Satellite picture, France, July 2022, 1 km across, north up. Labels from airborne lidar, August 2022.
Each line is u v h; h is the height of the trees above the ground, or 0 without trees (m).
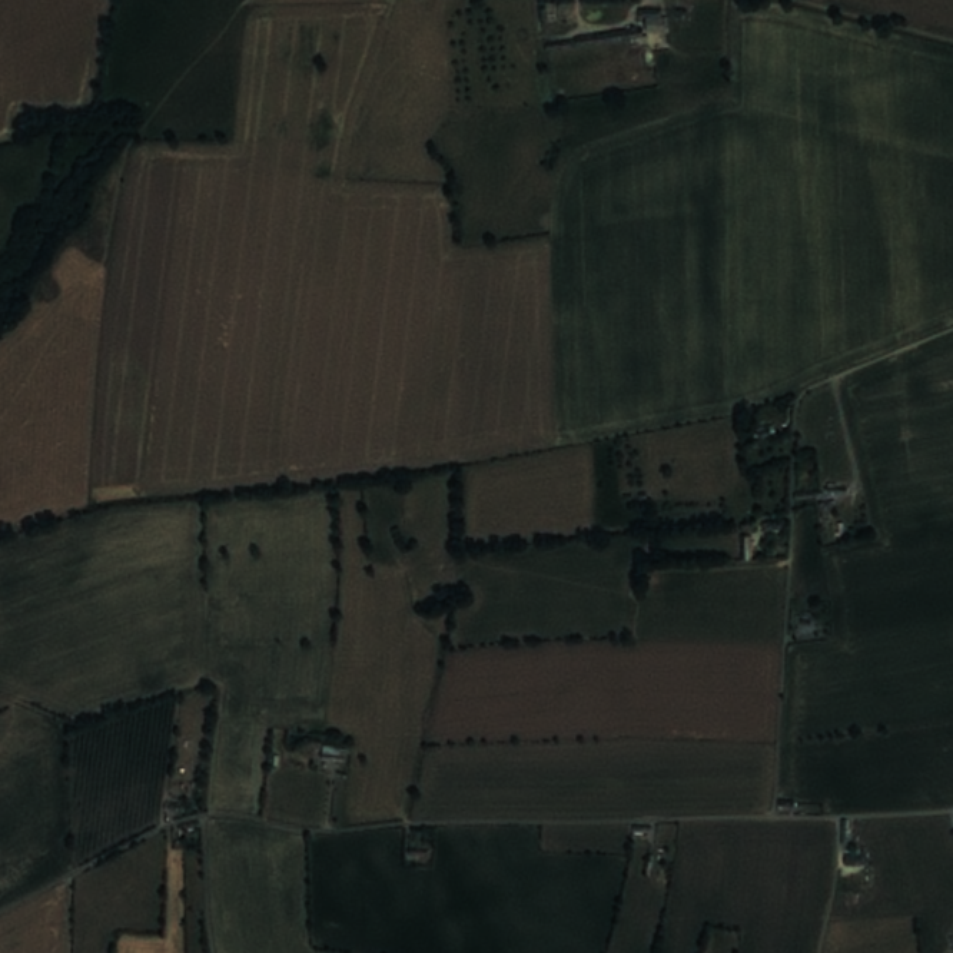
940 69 0
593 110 0
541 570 0
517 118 0
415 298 0
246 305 0
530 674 0
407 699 0
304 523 0
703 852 0
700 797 0
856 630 0
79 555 0
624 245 0
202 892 0
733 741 0
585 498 0
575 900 0
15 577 0
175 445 0
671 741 0
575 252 0
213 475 0
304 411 0
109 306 0
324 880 0
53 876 0
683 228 0
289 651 0
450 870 0
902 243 0
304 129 0
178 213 0
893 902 0
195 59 0
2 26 0
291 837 0
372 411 0
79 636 0
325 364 0
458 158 0
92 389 0
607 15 0
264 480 0
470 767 0
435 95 0
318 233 0
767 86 0
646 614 0
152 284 0
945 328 0
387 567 0
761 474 7
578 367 0
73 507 0
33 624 0
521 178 0
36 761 0
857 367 0
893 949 0
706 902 0
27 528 14
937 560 0
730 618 0
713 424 0
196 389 0
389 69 0
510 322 0
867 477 0
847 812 0
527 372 0
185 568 0
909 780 0
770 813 0
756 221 0
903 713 0
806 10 0
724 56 0
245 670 0
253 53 0
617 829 0
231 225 0
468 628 0
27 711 0
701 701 0
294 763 0
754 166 0
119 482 0
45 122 18
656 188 0
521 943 0
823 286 0
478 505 0
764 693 0
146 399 0
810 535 0
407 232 0
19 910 0
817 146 0
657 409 0
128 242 0
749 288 0
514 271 0
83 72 0
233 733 0
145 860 0
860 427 0
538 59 0
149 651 0
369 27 0
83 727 13
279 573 0
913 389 0
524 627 0
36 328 0
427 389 0
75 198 16
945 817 0
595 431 0
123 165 0
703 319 0
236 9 0
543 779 0
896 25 12
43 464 0
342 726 0
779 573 0
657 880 0
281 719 0
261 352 0
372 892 0
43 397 0
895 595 0
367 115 0
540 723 0
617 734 0
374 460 0
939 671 0
